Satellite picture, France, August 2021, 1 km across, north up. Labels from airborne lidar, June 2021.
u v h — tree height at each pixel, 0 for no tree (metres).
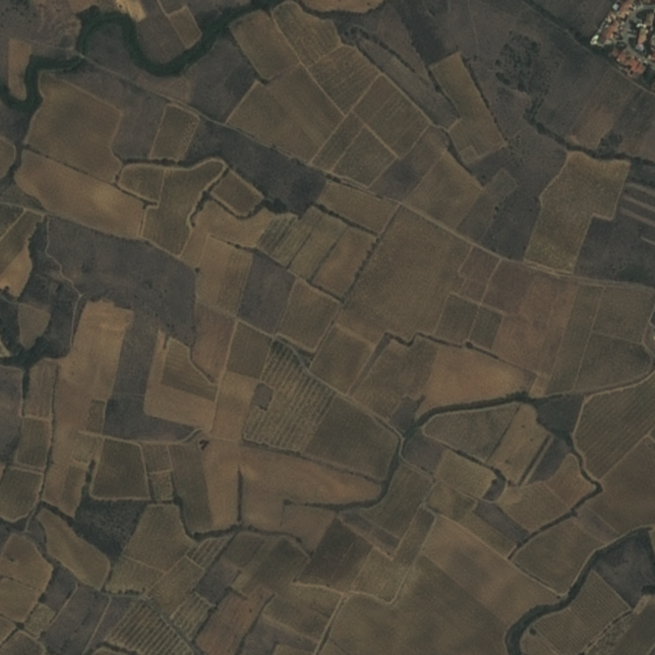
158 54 0
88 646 0
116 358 0
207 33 5
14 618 0
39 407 0
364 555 0
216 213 0
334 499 0
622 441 0
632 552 0
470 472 0
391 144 0
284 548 0
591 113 0
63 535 0
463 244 0
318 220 0
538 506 0
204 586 0
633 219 0
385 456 0
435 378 0
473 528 0
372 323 0
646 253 0
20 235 0
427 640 0
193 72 0
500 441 0
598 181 0
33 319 0
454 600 0
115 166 0
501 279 0
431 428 0
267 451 0
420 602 0
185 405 0
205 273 0
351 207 0
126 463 0
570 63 0
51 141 0
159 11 0
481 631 0
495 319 0
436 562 0
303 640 0
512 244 0
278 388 0
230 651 0
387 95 0
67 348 0
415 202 0
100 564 0
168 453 0
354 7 0
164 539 0
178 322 0
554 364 0
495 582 0
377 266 0
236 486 0
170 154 0
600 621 0
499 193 0
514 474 0
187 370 0
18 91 0
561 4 0
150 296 0
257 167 0
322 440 0
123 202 0
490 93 0
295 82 0
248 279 0
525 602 0
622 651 0
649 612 0
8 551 0
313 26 0
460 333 0
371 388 0
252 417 0
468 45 0
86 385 0
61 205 0
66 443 0
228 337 0
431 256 0
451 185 0
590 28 0
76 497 0
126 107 0
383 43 6
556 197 0
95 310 0
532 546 0
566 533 0
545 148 0
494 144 0
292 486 0
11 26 0
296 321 0
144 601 0
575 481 0
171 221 0
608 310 0
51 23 0
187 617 0
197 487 0
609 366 0
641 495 0
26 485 0
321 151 0
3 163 0
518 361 0
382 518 0
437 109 0
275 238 0
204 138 0
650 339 0
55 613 0
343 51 0
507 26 0
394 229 0
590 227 0
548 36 0
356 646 0
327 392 0
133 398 0
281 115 0
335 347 0
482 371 0
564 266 0
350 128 0
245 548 0
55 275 0
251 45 0
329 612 0
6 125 0
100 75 0
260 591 0
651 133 0
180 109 0
